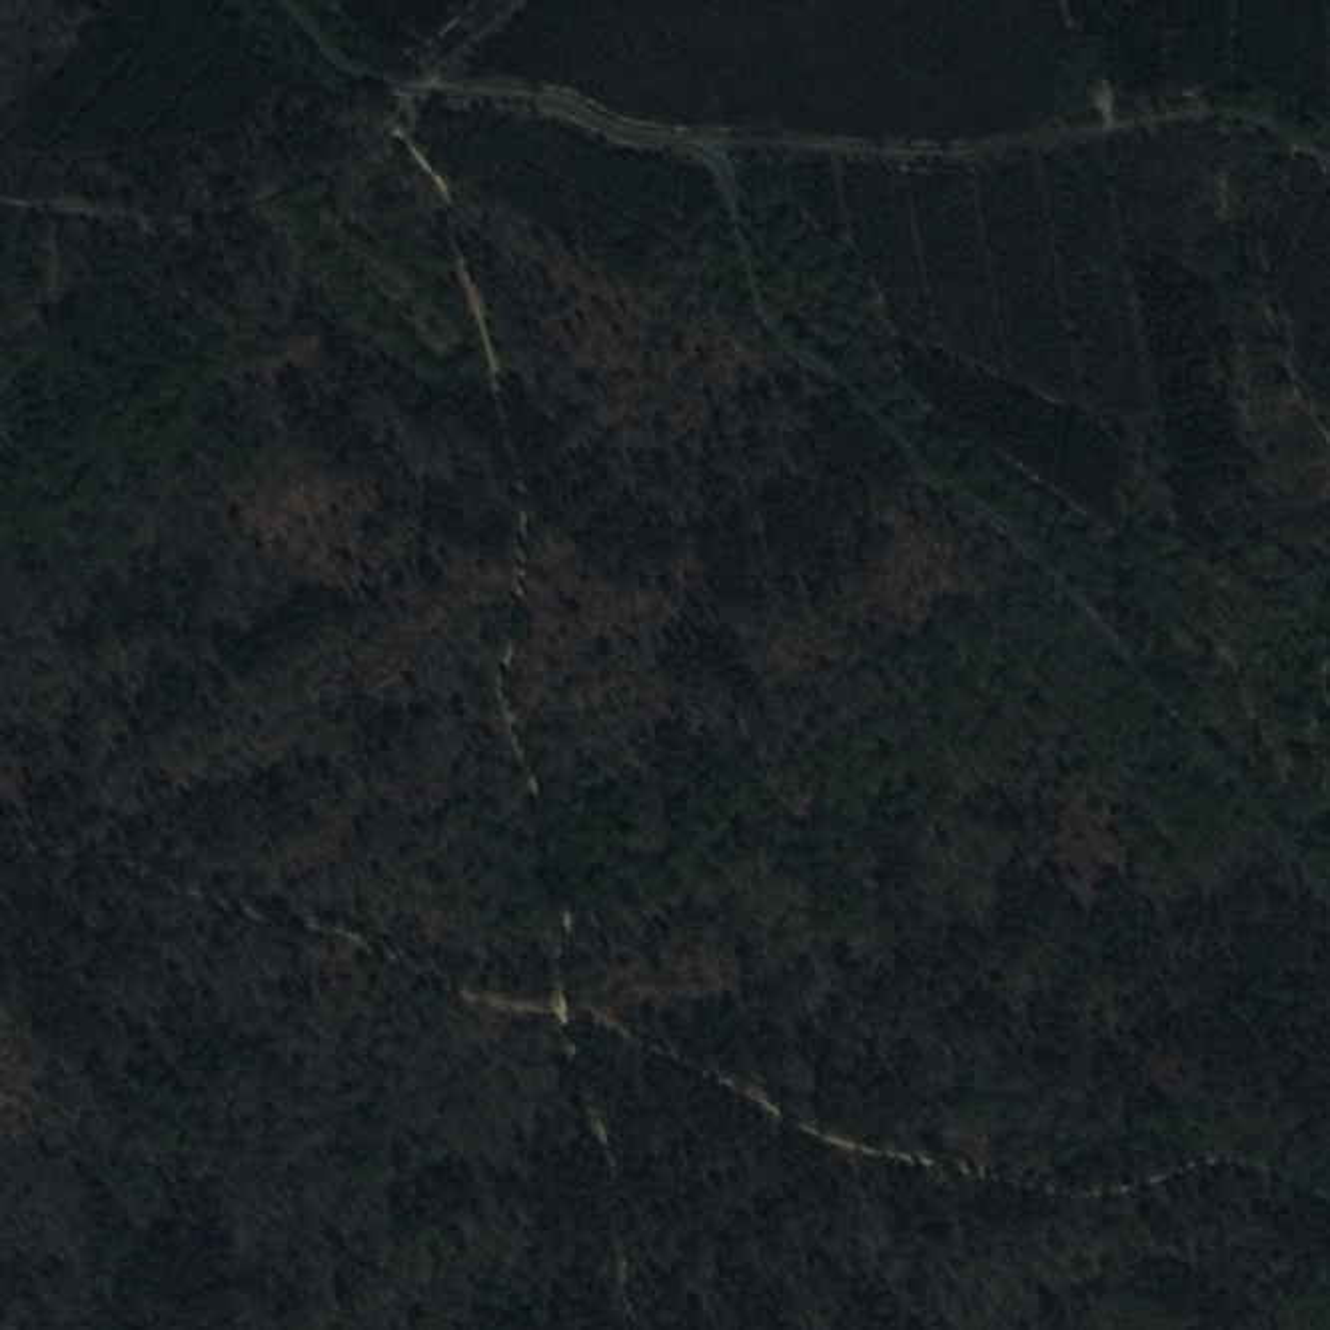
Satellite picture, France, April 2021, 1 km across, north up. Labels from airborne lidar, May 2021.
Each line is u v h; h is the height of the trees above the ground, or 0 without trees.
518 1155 16
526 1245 12
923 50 10
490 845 14
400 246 17
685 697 8
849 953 18
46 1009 23
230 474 12
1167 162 15
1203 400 18
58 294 6
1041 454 20
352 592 8
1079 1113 13
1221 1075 24
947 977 24
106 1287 11
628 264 8
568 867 13
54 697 10
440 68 8
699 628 6
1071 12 6
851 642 8
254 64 13
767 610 20
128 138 7
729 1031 20
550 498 17
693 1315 8
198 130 10
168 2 11
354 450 23
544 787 10
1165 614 25
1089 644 19
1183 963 7
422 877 13
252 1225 17
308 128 19
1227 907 22
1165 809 22
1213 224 6
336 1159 15
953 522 9
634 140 0
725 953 16
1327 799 26
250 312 6
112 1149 11
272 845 13
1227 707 25
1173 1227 22
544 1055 16
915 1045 18
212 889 15
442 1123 6
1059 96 12
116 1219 15
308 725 13
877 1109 25
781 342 10
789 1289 13
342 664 11
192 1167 13
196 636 17
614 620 15
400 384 12
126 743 17
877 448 24
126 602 19
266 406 14
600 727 14
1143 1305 19
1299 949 20
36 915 22
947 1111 17
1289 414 6
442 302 17
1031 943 26
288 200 16
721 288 11
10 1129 10
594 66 10
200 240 9
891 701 16
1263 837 16
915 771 13
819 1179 19
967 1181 17
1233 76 12
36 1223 10
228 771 17
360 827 8
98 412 9
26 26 6
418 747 12
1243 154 8
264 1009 25
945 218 13
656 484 23
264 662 19
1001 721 22
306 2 13
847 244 21
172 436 21
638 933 14
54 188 7
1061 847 8
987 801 12
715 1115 22
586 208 10
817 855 28
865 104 7
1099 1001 18
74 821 23
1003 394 18
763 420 21
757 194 14
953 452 21
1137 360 15
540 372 11
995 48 10
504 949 12
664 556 23
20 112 10
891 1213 22
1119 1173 24
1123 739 20
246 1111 11
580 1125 11
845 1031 23
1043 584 20
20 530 25
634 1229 24
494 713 10
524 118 15
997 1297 22
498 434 19
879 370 19
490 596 11
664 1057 24
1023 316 14
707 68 9
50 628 14
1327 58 11
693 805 17
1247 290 13
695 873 18
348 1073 13
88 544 15
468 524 15
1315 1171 19
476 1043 10
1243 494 17
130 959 25
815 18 7
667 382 11
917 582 10
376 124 10
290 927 15
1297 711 29
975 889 15
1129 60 17
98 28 10
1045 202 16
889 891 19
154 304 13
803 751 14
